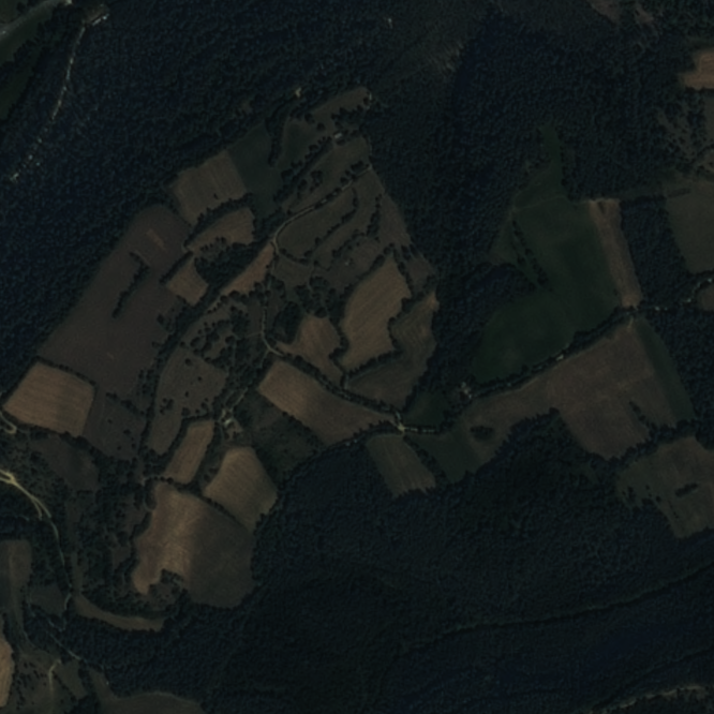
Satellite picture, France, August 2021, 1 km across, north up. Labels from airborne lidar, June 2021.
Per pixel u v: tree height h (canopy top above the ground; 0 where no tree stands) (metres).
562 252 0
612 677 12
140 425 0
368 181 0
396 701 9
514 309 0
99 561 6
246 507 0
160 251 0
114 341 0
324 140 5
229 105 11
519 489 22
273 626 11
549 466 22
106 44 9
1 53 0
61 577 11
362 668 8
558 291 0
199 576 0
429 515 19
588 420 0
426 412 0
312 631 11
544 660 10
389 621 9
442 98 20
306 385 0
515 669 12
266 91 15
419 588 12
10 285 13
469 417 0
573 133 20
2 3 0
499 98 28
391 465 0
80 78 14
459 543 17
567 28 14
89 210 16
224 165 0
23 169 14
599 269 0
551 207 0
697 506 0
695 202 0
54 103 18
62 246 19
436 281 6
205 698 18
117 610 8
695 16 20
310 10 14
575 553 19
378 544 18
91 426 0
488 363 0
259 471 0
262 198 0
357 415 0
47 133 13
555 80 32
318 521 12
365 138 7
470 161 26
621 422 0
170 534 0
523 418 0
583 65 30
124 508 5
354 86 9
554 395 0
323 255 0
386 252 8
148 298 0
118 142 14
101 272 0
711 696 7
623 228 11
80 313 0
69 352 0
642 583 17
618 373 0
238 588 0
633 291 0
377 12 14
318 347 0
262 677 11
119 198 13
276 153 8
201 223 10
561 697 14
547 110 27
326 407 0
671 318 16
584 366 0
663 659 10
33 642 14
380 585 9
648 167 34
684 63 15
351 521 20
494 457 0
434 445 0
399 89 25
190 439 0
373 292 0
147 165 19
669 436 11
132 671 14
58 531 6
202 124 12
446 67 15
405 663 13
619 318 7
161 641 14
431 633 12
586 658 11
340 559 8
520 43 26
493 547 18
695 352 15
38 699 0
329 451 9
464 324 20
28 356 13
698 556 18
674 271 21
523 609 9
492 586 17
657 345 0
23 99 12
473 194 25
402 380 0
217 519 0
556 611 9
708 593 8
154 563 0
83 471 0
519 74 32
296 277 0
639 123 23
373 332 0
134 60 15
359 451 13
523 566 16
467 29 16
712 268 0
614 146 30
